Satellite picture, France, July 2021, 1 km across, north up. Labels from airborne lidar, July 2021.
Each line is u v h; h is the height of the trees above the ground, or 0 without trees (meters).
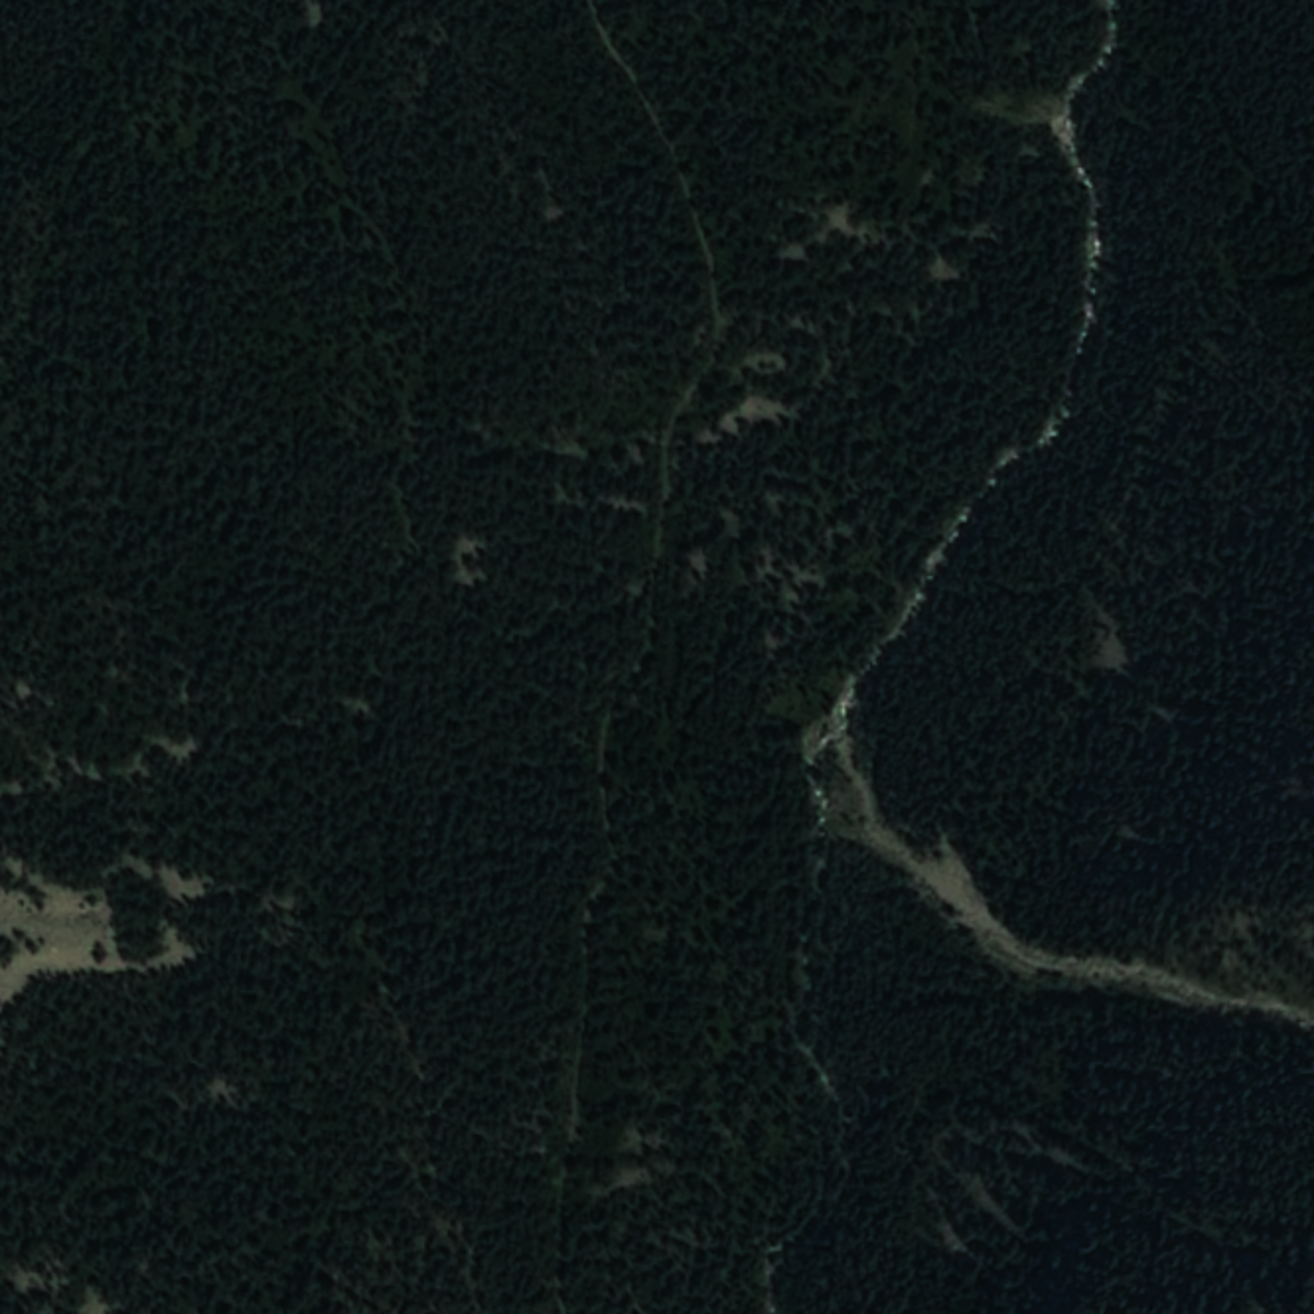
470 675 14
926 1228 9
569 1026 8
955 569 22
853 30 26
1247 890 12
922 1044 28
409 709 23
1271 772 24
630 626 21
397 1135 7
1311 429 11
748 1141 22
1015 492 26
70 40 25
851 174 25
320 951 7
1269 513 35
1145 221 26
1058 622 23
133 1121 9
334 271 22
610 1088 9
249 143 11
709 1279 27
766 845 16
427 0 18
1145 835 28
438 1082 15
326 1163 23
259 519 17
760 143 26
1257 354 23
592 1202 10
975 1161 18
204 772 32
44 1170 30
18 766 10
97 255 14
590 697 29
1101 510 27
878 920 9
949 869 0
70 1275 6
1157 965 15
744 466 14
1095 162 22
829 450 24
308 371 6
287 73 21
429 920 12
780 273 19
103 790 19
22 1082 25
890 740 22
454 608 15
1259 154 31
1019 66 18
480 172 8
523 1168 12
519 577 29
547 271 9
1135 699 22
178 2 26
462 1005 19
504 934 21
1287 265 21
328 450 17
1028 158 10
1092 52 16
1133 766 22
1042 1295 19
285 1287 9
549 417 14
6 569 7
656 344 11
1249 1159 24
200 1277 9
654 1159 12
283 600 11
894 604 21
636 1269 7
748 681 10
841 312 29
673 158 7
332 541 27
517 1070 7
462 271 9
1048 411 25
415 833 16
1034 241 20
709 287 8
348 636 16
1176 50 15
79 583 9
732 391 19
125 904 23
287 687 10
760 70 24
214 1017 26
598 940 20
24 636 8
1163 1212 9
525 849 29
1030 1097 20
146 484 8
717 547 18
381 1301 7
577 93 13
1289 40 35
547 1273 11
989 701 25
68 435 7
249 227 8
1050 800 8
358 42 15
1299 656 24
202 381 30
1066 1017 25
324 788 30
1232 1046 31
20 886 11
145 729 9
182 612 10
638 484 28
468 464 27
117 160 11
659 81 20
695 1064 8
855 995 18
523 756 10
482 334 9
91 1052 7
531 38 9
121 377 9
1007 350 23
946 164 11
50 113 11
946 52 18
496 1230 22
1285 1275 12
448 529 10
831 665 9
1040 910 18
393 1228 18
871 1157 26
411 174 20
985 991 9
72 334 26
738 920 13
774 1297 7
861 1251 27
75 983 12
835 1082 12
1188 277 30
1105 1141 9
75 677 9
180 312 11
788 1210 24
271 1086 14
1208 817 18
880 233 10
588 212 8
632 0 29
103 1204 30
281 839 26
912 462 11
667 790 8
